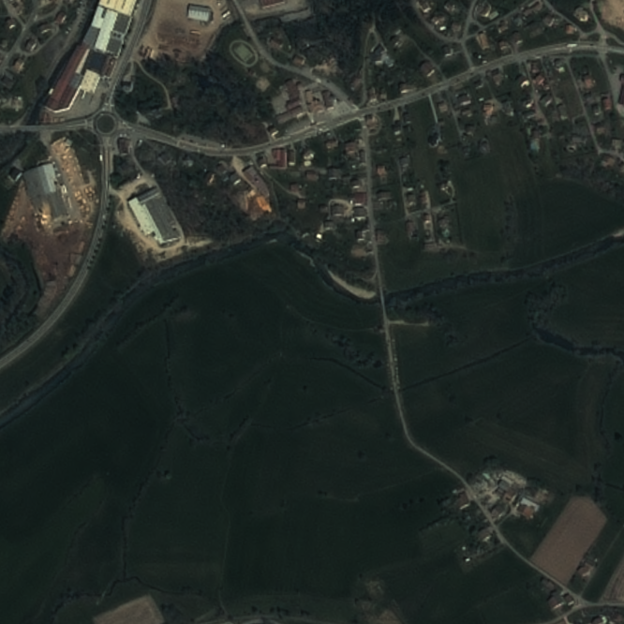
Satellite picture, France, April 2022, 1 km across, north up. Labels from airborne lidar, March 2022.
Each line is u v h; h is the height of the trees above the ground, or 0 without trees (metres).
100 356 0
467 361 0
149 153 0
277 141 0
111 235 0
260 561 0
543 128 7
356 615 0
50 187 0
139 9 0
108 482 0
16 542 0
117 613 0
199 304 0
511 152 0
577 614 0
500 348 0
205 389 0
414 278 0
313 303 0
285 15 0
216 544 0
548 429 0
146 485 8
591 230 0
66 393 0
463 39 0
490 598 0
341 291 0
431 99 0
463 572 0
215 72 22
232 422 0
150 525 0
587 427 0
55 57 0
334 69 0
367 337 0
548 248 0
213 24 0
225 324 0
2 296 0
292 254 0
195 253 11
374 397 0
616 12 0
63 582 0
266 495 0
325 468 0
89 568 0
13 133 0
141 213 0
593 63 0
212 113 11
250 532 0
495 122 8
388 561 0
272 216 14
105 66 0
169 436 7
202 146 0
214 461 0
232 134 10
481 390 0
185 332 0
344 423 0
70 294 0
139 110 10
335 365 0
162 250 0
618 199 12
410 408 0
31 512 0
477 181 0
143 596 0
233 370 0
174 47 0
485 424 0
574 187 0
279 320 0
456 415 0
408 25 7
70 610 0
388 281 0
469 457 0
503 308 0
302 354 0
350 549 0
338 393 0
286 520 0
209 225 13
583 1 0
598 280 0
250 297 0
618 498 0
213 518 0
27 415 0
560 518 0
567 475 0
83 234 0
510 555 0
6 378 0
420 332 0
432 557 0
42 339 0
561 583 0
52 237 0
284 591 0
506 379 0
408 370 0
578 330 0
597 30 0
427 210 0
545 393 0
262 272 0
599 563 0
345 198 0
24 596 0
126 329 0
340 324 0
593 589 0
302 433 0
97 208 0
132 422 0
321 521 0
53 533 0
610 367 0
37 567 0
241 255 0
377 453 0
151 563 0
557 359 0
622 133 0
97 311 0
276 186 0
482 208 0
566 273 0
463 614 0
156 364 0
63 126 0
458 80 0
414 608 0
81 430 0
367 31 0
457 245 0
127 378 0
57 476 0
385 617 0
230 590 0
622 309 0
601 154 0
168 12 0
